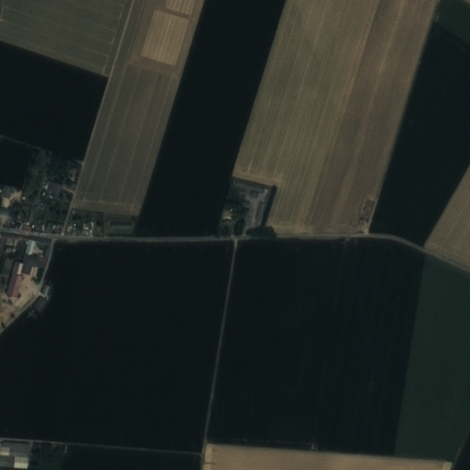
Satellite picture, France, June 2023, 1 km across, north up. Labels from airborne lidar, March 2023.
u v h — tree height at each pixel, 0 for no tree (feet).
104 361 0
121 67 0
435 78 0
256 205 0
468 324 0
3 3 0
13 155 0
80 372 0
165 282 0
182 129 0
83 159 0
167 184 0
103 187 0
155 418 0
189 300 0
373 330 0
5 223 0
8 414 0
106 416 0
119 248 0
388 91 0
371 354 0
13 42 0
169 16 0
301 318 0
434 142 0
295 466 0
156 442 0
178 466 0
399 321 0
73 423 0
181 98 0
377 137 0
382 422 0
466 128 0
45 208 0
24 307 0
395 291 0
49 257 0
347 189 0
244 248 0
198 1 0
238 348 0
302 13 0
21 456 0
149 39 0
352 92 0
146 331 0
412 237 0
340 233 0
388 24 0
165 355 0
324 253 0
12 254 63
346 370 0
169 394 0
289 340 0
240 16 0
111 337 0
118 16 0
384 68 0
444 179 0
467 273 0
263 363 0
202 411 0
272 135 0
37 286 0
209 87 0
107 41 0
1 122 0
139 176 0
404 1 0
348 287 0
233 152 0
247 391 0
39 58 0
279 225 0
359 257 0
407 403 0
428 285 0
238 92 0
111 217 0
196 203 0
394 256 0
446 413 0
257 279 0
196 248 0
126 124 0
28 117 0
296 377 0
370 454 0
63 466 0
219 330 0
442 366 0
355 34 0
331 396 0
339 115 0
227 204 23
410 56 0
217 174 0
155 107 0
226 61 0
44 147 0
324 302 0
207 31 0
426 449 0
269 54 0
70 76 0
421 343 0
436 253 0
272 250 0
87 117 0
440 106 0
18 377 0
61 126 0
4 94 0
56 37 0
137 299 0
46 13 0
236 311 0
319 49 0
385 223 0
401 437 0
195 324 0
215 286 0
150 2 0
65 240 0
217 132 0
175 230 0
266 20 0
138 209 0
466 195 0
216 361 0
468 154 0
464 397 0
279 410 0
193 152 0
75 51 0
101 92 0
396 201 0
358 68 0
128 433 0
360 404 0
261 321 0
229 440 0
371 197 0
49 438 0
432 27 0
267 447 0
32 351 0
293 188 0
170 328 0
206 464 0
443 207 0
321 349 0
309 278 0
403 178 0
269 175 0
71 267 0
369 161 0
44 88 0
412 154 0
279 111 0
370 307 0
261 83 0
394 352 0
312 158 0
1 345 0
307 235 0
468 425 0
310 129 0
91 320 0
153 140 0
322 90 0
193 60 0
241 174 0
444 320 0
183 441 0
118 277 0
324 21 0
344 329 0
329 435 0
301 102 0
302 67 0
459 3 0
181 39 0
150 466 0
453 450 0
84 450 0
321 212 0
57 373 0
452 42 0
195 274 0
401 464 0
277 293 0
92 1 0
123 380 0
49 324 0
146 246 0
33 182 0
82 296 0
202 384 0
